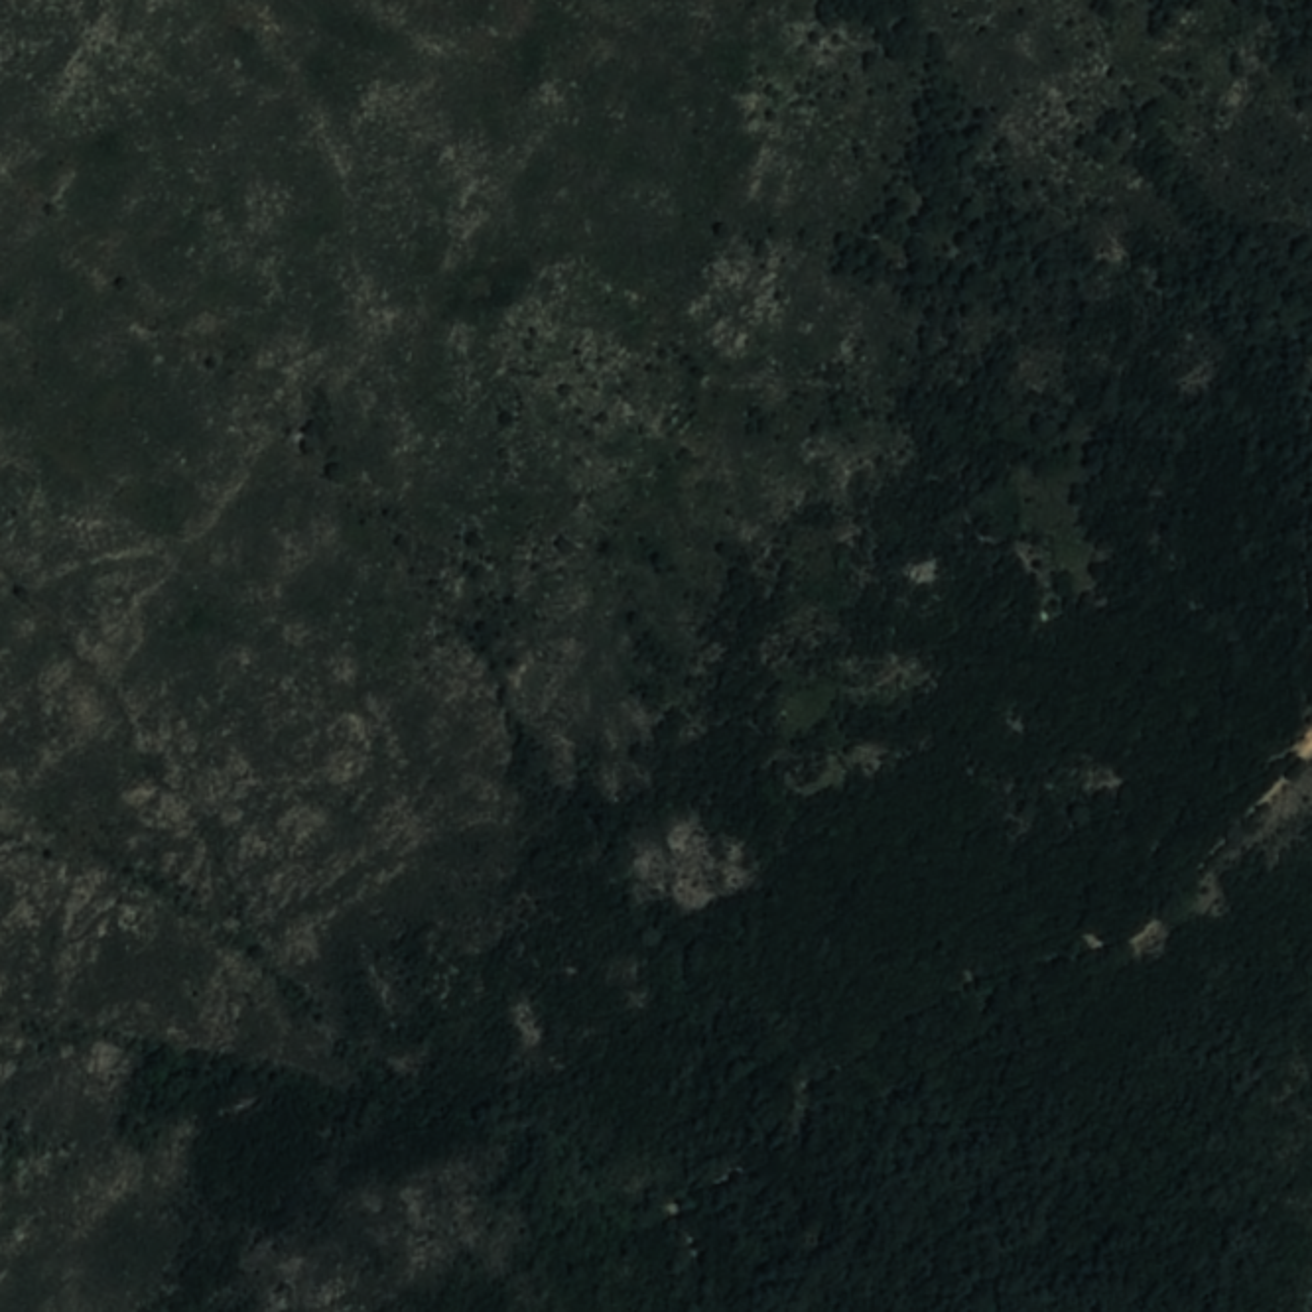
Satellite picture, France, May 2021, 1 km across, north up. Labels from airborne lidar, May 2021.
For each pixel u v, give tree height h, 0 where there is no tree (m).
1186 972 11
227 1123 10
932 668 7
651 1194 18
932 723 13
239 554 0
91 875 0
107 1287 0
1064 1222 17
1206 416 16
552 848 7
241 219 0
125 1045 8
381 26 0
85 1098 0
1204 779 14
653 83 0
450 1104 11
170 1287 6
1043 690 14
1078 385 7
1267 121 9
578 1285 13
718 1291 20
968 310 17
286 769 0
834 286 0
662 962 19
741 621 10
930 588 8
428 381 0
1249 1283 9
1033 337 6
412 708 0
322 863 0
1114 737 8
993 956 16
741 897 11
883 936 18
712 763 12
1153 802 13
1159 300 9
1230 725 16
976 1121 16
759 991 7
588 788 12
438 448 0
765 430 10
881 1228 31
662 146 0
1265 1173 7
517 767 11
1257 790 7
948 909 15
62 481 0
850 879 13
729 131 0
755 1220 27
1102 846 11
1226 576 10
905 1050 20
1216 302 20
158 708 0
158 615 0
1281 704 11
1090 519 8
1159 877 16
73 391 0
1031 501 7
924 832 10
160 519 0
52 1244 0
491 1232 7
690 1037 12
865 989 20
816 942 21
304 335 0
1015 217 24
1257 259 21
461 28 0
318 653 0
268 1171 8
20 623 0
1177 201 11
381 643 0
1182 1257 15
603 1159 12
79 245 0
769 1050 22
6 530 0
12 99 0
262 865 0
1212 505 13
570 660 0
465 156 0
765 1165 19
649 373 8
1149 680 11
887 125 0
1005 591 10
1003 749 11
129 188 0
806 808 12
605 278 0
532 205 0
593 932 8
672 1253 14
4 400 0
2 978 0
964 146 20
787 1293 21
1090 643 14
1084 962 14
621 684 0
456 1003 9
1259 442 10
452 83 0
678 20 0
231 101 0
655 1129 8
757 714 11
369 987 7
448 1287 6
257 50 0
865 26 7
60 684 0
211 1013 0
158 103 0
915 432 8
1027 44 0
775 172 0
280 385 0
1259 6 18
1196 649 9
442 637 7
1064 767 8
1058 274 26
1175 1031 18
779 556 9
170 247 0
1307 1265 7
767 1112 25
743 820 11
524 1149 14
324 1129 13
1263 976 12
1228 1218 8
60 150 0
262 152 0
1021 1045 16
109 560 0
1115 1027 11
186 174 0
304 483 0
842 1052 18
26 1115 7
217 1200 7
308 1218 6
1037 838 14
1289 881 14
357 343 0
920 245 21
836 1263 25
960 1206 19
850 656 8
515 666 12
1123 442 10
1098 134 13
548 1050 7
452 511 0
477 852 6
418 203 0
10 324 0
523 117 0
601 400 0
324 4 0
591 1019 9
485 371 0
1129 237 9
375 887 0
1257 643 13
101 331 0
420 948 6
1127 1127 13
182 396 0
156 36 0
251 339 0
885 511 10
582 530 0
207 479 0
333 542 0
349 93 0
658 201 0
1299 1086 16
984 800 10
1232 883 11
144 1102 10
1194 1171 22
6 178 0
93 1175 0
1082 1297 32
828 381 10
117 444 0
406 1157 9
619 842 13
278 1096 8
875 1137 21
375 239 0
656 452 0
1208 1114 19
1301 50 21
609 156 0
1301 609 15
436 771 0
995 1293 22
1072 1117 15
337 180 0
